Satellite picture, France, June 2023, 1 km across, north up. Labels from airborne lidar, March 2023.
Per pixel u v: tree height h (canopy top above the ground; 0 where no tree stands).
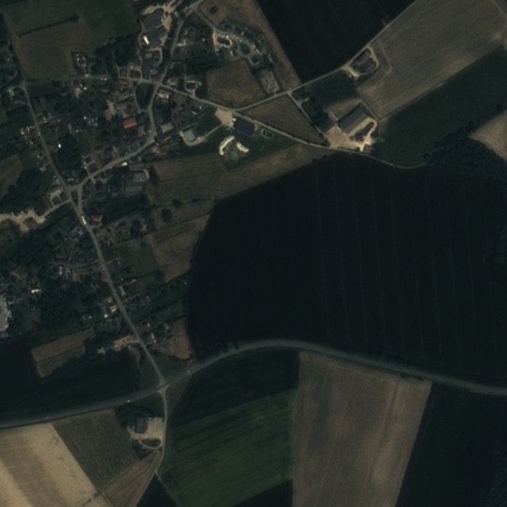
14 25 0
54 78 0
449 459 0
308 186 0
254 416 0
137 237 12
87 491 0
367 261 0
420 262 0
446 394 0
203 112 0
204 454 0
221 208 0
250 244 0
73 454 0
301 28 0
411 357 0
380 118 0
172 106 9
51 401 0
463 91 0
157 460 0
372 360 0
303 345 0
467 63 0
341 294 0
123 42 13
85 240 13
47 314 16
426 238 0
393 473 0
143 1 0
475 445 0
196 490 0
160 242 0
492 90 0
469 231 0
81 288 15
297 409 0
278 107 0
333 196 0
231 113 0
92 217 0
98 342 15
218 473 0
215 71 0
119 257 0
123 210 0
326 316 0
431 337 0
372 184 0
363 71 0
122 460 0
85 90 6
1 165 0
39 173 15
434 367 0
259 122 0
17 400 0
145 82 0
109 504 0
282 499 0
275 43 0
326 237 0
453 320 0
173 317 0
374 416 0
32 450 0
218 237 0
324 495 0
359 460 0
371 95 0
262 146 0
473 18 0
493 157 18
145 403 0
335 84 0
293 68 0
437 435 0
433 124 0
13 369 0
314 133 0
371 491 0
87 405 0
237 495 0
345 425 0
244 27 0
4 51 0
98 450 0
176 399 0
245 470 0
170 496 0
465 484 0
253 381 0
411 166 0
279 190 0
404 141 0
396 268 0
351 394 0
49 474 0
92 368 0
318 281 0
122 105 0
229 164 0
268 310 0
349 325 0
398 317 0
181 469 0
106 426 0
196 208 0
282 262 0
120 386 0
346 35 0
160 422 0
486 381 0
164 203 0
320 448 0
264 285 0
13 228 5
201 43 0
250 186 0
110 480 0
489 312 0
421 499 0
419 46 0
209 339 0
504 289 0
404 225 0
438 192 0
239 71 0
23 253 21
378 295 0
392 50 0
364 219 0
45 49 0
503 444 0
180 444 0
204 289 0
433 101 0
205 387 0
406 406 0
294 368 0
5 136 0
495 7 0
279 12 0
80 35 0
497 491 16
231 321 0
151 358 0
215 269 0
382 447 0
